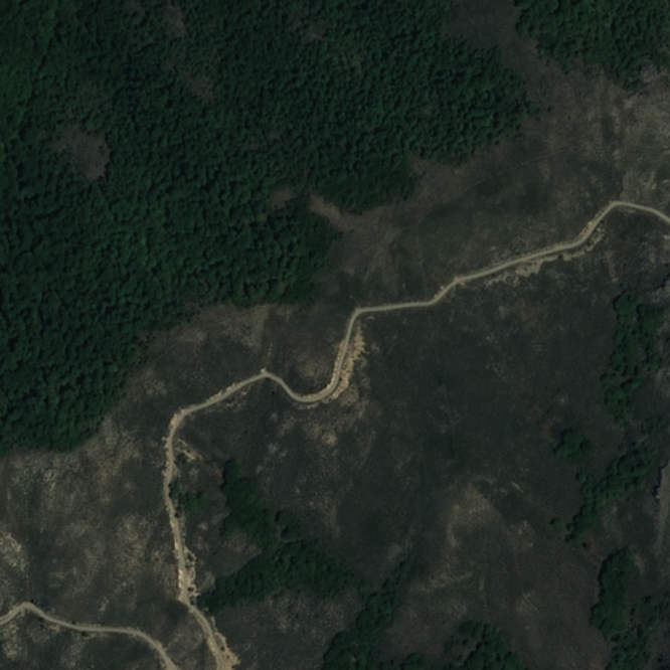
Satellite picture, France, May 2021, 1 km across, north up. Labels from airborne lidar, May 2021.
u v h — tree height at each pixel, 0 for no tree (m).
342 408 0
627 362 21
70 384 8
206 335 0
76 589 0
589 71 6
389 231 0
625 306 28
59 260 26
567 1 26
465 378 0
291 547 15
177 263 20
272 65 14
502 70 9
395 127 11
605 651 0
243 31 22
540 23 18
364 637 25
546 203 0
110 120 14
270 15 13
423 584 0
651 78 0
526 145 0
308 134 16
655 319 17
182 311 11
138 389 0
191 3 13
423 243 0
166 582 0
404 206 0
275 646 0
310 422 0
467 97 24
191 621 0
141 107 11
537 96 0
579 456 12
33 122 20
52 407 24
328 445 0
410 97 14
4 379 24
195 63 7
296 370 0
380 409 0
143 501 0
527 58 0
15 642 0
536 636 0
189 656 0
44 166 24
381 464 0
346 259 0
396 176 8
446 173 0
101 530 0
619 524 0
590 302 0
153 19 10
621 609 16
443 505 0
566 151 0
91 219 22
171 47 6
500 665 22
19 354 24
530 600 0
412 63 20
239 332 0
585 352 0
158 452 0
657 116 0
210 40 13
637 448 9
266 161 16
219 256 29
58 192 15
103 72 26
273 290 15
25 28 15
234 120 9
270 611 0
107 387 20
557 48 13
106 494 0
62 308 23
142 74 25
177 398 0
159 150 16
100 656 0
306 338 0
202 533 0
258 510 16
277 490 0
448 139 16
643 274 7
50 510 0
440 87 19
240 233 34
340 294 0
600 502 19
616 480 26
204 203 31
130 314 22
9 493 0
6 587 0
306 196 6
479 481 0
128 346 19
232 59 22
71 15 24
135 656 0
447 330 0
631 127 0
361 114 14
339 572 12
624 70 15
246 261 26
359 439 0
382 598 17
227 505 9
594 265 0
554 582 0
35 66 24
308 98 18
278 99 16
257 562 13
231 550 0
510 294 0
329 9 14
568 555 0
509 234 0
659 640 0
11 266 25
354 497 0
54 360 27
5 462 0
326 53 11
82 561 0
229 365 0
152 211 15
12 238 29
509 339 0
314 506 0
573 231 0
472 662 21
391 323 0
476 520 0
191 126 17
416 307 0
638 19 19
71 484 0
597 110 0
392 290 0
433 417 0
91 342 27
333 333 0
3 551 0
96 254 19
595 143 0
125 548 0
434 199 0
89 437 7
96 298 9
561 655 0
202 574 0
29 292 28
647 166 0
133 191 10
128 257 16
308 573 12
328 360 0
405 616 0
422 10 14
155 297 22
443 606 0
